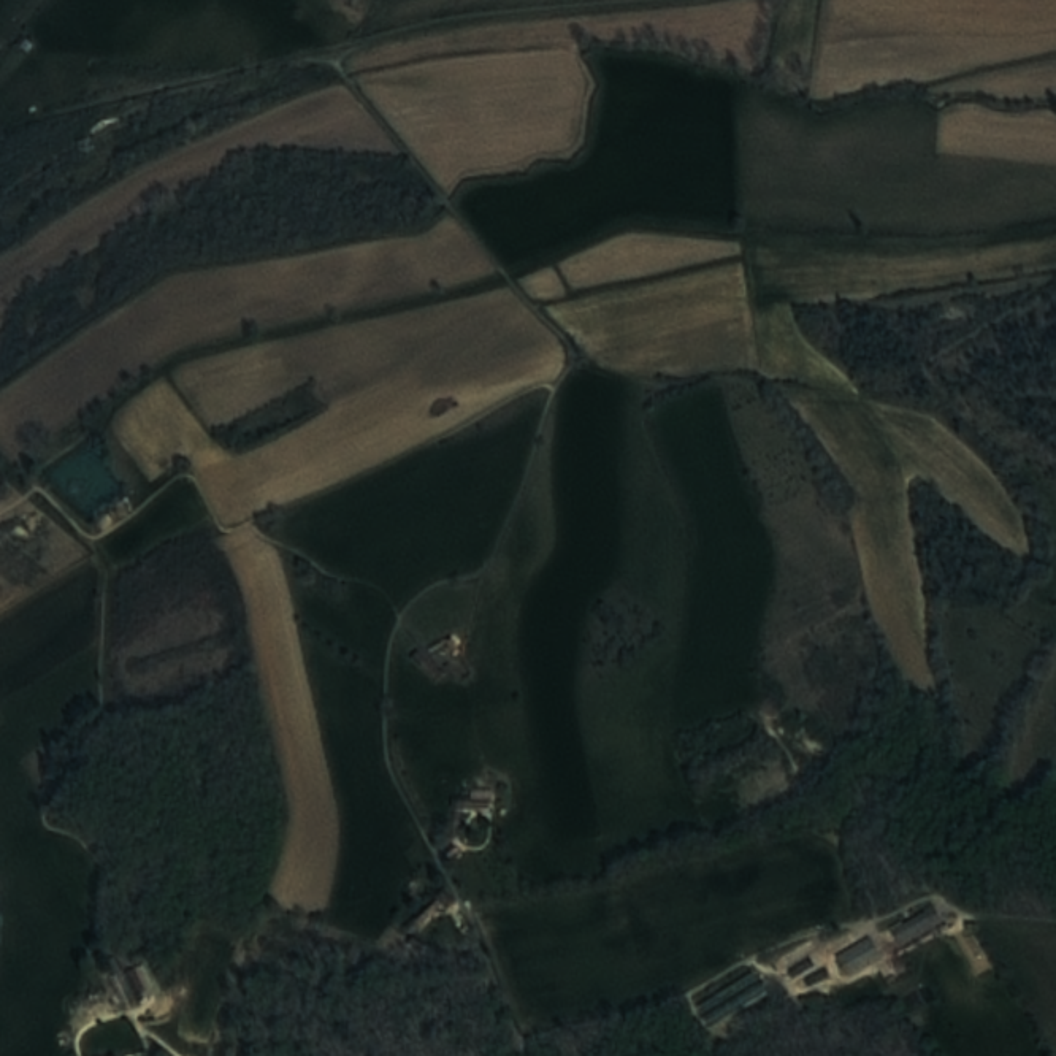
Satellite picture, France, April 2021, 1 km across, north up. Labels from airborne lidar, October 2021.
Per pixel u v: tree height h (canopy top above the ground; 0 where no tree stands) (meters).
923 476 0
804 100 15
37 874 0
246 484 0
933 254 0
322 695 0
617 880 18
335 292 0
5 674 0
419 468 0
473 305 0
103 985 0
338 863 0
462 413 0
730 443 0
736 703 0
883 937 0
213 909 26
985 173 0
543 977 0
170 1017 0
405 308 0
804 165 0
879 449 0
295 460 0
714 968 0
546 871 0
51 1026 0
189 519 0
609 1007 0
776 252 0
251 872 23
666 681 0
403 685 0
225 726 22
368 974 20
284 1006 18
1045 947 0
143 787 22
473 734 0
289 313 0
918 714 22
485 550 0
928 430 0
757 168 0
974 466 0
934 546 9
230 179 12
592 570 0
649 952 0
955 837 21
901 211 0
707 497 0
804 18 0
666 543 0
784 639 0
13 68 0
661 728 0
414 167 12
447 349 0
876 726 18
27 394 0
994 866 20
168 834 21
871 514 0
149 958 20
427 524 0
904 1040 15
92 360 0
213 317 0
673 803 0
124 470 0
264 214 15
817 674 8
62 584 0
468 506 0
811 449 12
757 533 0
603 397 0
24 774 0
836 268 0
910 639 0
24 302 8
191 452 0
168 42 0
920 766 19
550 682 0
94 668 0
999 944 0
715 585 0
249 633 0
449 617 0
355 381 0
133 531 0
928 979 0
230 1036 21
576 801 0
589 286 0
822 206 0
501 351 0
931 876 19
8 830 0
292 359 0
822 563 0
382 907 0
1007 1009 0
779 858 0
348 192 6
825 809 22
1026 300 6
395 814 0
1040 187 0
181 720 19
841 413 0
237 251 14
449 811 0
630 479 0
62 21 0
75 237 0
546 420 0
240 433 9
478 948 9
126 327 0
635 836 0
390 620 0
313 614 0
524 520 0
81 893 0
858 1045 19
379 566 0
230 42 0
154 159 11
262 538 0
